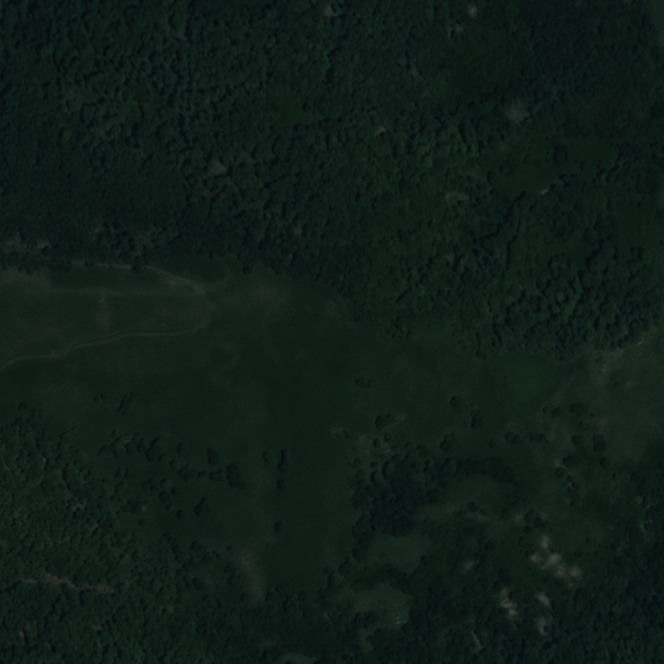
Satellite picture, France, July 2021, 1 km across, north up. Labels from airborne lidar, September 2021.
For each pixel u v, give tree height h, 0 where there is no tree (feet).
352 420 0
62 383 0
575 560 19
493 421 0
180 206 65
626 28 33
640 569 54
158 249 52
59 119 66
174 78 54
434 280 37
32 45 31
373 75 97
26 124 73
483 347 39
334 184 76
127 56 76
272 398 0
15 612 68
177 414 0
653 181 61
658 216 29
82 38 73
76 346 0
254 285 0
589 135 61
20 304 0
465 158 69
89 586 33
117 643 72
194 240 52
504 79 33
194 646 70
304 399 0
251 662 30
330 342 0
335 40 127
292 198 60
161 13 94
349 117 64
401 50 84
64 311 0
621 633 71
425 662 90
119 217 61
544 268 41
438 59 69
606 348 70
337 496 0
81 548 56
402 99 73
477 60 23
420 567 21
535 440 82
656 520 74
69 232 72
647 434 0
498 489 0
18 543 62
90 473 59
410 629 64
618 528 25
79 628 70
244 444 0
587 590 28
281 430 0
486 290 52
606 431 0
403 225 29
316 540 0
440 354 0
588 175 0
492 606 35
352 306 19
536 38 77
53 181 82
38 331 0
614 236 99
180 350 0
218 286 0
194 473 52
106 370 0
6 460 61
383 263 26
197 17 78
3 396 0
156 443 60
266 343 0
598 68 40
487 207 106
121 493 59
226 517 0
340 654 28
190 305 0
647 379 0
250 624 28
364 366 0
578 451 18
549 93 67
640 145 31
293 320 0
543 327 58
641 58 72
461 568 30
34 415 47
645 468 31
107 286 0
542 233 65
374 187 78
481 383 0
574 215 54
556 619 56
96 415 0
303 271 48
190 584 56
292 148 78
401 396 0
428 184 67
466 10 78
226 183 77
